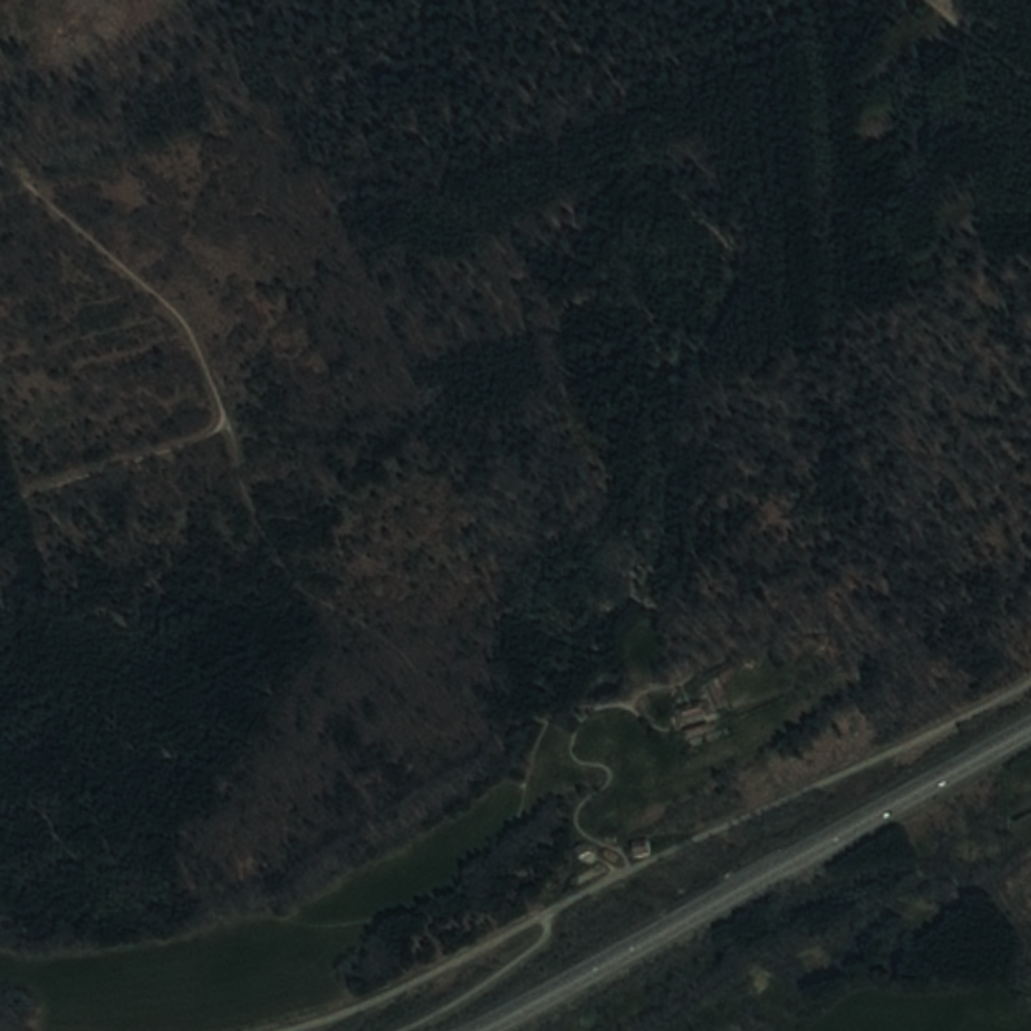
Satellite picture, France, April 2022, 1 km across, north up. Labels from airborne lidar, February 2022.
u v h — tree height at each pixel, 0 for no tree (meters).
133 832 13
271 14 21
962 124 20
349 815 18
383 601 7
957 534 28
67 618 12
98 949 23
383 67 13
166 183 7
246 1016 0
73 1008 0
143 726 13
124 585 9
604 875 0
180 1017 0
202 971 0
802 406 26
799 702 13
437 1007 6
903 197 22
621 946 0
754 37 24
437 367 13
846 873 19
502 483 27
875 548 12
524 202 19
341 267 10
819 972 0
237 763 13
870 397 27
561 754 0
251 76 17
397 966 25
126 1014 0
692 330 5
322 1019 0
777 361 17
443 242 21
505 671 14
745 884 0
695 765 0
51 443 7
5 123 24
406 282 16
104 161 13
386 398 11
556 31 32
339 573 23
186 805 18
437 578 9
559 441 23
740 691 0
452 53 28
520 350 16
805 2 27
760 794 0
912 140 21
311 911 0
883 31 28
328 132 31
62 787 19
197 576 9
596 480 23
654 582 11
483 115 25
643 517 18
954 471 10
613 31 33
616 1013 0
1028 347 26
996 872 15
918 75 27
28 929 22
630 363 21
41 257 9
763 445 23
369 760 10
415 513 8
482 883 23
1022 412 26
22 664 17
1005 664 29
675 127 18
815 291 22
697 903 0
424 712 13
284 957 0
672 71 13
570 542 26
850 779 0
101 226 12
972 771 0
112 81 21
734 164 20
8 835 22
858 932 18
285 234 10
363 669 10
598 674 15
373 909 0
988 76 23
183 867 12
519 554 25
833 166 22
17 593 18
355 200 16
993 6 22
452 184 21
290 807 10
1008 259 22
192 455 10
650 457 14
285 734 11
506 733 6
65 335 7
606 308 6
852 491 14
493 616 8
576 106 9
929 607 31
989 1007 0
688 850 18
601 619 11
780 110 26
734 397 24
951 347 27
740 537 16
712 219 22
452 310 15
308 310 8
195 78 22
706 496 14
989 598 30
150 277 8
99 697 10
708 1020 0
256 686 18
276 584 12
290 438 9
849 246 21
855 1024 0
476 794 22
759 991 0
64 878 20
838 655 31
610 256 19
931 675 28
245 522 7
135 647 8
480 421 20
